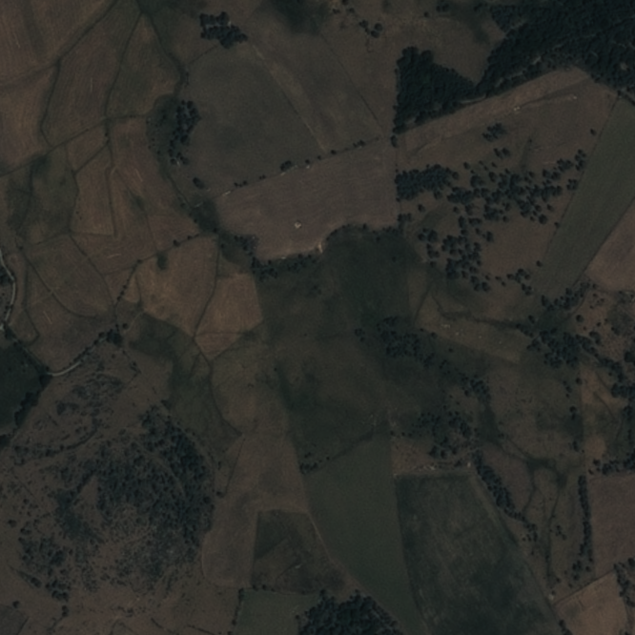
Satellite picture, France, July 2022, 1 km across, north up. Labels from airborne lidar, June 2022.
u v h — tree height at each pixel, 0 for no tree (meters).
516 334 0
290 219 0
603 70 9
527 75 10
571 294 8
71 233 0
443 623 0
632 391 15
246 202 0
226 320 0
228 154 0
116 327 7
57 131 0
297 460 0
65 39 0
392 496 0
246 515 0
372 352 0
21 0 0
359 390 0
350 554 0
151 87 0
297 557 0
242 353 0
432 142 0
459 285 0
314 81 0
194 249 0
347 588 0
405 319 0
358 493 0
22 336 0
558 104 0
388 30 0
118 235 0
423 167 0
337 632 14
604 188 0
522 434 0
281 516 0
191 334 0
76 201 0
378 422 0
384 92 0
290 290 0
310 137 0
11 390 0
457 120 0
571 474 0
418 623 0
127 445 0
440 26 0
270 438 0
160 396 0
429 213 0
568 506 0
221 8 0
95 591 0
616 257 0
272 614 0
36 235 0
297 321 0
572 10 8
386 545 0
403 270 0
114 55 0
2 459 0
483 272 0
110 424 0
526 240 0
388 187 0
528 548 0
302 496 0
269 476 0
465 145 0
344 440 0
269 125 0
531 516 0
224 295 0
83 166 0
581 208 0
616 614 0
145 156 0
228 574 0
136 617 0
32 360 11
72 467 0
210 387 0
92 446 0
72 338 0
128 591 0
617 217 0
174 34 0
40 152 0
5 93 0
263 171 0
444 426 0
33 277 0
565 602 0
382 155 0
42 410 0
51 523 0
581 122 0
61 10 0
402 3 0
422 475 0
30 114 0
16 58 0
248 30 0
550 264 0
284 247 0
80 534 0
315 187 0
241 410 0
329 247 0
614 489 0
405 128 10
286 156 0
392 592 0
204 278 0
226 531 0
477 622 0
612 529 0
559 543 0
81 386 0
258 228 0
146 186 0
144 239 0
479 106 0
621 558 0
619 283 0
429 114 10
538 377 0
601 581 0
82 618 0
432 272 0
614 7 10
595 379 0
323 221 0
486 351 0
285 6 0
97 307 0
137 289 0
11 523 10
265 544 0
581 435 0
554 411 0
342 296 0
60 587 7
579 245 0
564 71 0
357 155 0
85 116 0
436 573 0
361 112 0
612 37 14
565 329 0
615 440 0
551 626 0
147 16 0
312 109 0
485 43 0
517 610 0
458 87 8
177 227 0
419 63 7
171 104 0
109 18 0
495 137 13
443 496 0
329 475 0
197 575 0
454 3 0
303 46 0
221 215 0
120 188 0
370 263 0
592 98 0
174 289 0
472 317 0
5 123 0
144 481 7
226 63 0
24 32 0
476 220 10
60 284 0
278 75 0
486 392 12
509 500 13
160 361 0
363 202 0
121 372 0
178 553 0
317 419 0
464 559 0
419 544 0
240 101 0
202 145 0
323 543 0
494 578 0
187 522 8
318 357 0
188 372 0
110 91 0
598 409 0
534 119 0
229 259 0
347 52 0
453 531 0
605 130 0
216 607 0
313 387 0
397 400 0
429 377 0
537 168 0
